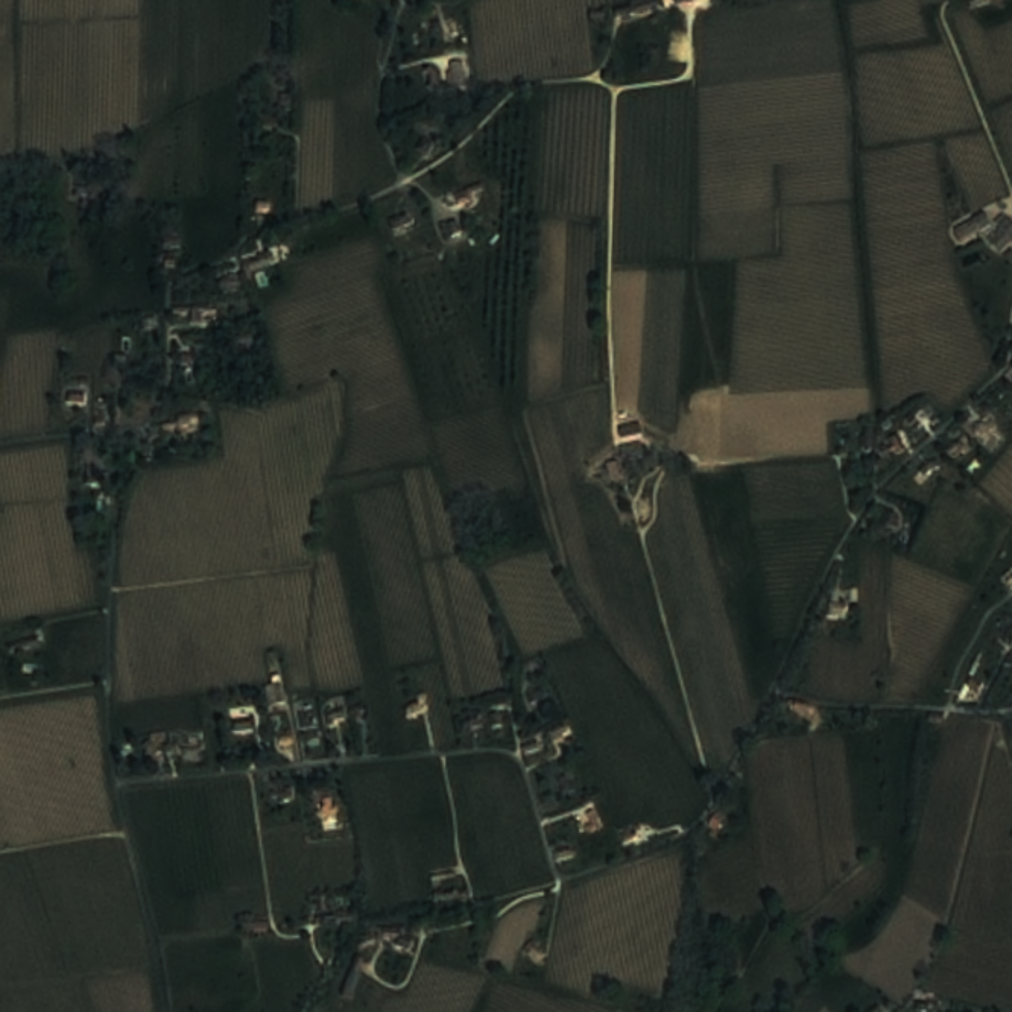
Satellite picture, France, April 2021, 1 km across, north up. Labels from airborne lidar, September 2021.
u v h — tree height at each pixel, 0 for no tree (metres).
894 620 0
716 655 0
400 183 0
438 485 0
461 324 9
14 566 0
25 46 0
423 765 0
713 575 0
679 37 0
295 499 0
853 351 0
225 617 0
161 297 8
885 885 0
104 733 0
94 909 0
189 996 0
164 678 0
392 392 0
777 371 0
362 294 0
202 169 0
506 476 0
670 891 0
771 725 8
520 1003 0
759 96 0
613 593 0
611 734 0
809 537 0
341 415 0
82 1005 0
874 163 0
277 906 0
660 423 0
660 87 0
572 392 0
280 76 22
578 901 0
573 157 0
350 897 12
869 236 0
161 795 0
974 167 0
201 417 9
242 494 0
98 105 0
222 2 0
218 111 0
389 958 11
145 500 0
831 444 0
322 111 0
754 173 0
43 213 18
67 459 0
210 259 0
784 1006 21
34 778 0
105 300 0
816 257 0
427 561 0
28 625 7
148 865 0
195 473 0
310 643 0
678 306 0
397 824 0
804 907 0
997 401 6
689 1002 18
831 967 19
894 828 0
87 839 0
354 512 0
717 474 0
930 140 0
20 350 0
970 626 0
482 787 0
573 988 0
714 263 0
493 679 0
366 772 0
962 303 0
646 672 0
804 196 0
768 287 0
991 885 0
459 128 23
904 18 0
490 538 21
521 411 0
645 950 0
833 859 0
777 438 0
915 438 12
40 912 0
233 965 0
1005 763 0
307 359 0
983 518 0
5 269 0
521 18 0
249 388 14
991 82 0
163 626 0
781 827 0
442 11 0
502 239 8
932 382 0
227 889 0
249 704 9
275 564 0
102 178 17
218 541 0
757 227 0
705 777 15
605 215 0
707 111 0
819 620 8
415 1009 0
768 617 0
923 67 0
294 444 0
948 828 0
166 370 8
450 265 9
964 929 0
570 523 0
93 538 12
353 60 0
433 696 0
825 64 0
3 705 0
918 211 0
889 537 10
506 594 0
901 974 0
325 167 0
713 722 0
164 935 0
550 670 10
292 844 0
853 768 0
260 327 13
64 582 0
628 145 0
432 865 0
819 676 0
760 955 0
